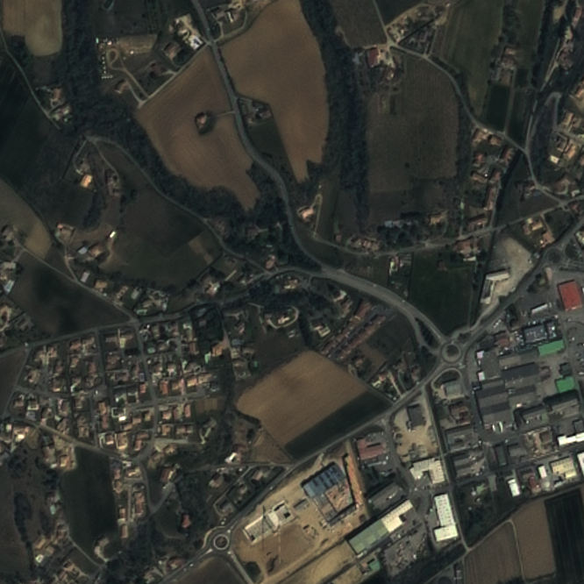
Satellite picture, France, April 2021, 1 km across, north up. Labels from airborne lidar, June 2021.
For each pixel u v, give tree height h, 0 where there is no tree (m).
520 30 8
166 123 0
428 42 6
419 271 0
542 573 0
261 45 0
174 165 0
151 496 0
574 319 0
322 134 0
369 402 0
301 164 0
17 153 0
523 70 0
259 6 0
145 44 0
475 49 0
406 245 16
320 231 0
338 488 0
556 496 0
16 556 0
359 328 0
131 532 0
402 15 0
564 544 0
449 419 6
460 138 10
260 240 13
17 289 0
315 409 0
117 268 0
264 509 0
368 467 13
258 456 0
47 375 0
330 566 0
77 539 0
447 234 9
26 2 0
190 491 8
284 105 0
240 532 0
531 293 10
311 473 0
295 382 0
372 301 8
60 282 0
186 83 0
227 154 0
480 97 0
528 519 0
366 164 10
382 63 6
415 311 0
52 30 0
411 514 0
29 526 0
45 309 0
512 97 0
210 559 0
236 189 0
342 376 0
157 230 0
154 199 0
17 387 0
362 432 0
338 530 0
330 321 6
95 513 0
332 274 0
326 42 10
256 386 0
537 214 0
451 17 0
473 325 0
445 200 7
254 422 10
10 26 0
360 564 0
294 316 0
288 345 0
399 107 0
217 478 0
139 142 17
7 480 0
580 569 0
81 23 18
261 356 0
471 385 0
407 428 0
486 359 0
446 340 0
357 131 14
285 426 0
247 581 0
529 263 0
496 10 0
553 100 0
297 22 0
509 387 0
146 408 0
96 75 7
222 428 9
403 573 9
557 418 0
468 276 0
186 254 0
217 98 0
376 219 0
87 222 10
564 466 0
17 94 0
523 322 0
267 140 0
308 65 0
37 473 0
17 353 0
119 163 0
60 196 0
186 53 8
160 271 0
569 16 10
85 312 0
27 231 0
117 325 0
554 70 0
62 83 9
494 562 0
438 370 0
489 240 0
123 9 0
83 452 0
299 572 0
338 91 17
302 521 0
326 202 0
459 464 0
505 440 0
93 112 25
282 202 12
